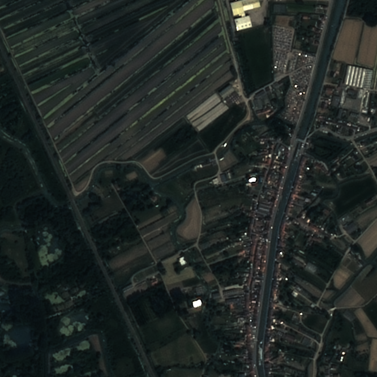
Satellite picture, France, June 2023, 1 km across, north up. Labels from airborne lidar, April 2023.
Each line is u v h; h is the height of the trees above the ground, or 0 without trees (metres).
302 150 0
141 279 0
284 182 0
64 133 0
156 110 0
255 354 0
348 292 0
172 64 0
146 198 16
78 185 0
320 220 0
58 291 0
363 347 0
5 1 0
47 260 0
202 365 11
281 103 0
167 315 0
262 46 0
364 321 0
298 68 0
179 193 0
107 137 0
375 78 0
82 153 0
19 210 11
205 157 0
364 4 9
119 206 0
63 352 0
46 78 0
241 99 0
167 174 0
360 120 0
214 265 6
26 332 0
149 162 0
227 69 0
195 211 0
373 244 0
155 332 0
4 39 0
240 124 0
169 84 0
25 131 0
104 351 0
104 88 0
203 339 0
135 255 0
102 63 0
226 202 0
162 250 0
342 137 0
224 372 13
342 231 0
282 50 0
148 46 0
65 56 0
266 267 0
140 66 0
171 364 0
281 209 0
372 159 0
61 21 0
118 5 0
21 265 0
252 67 0
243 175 0
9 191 7
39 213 7
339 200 0
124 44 0
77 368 17
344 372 0
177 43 0
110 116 0
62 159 0
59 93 0
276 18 0
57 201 0
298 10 0
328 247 6
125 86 0
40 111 0
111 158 0
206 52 0
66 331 0
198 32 0
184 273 0
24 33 0
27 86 0
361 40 0
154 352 0
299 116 0
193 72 0
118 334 0
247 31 0
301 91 0
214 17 0
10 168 6
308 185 0
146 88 0
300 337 0
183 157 0
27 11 0
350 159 0
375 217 0
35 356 12
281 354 0
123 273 0
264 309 0
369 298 0
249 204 0
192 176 0
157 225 0
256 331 0
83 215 6
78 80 0
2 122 6
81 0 0
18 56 0
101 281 15
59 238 14
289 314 0
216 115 0
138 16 0
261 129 0
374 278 0
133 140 0
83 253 8
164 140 0
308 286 0
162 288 0
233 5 0
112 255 0
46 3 0
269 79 0
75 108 0
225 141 0
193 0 0
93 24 0
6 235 0
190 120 0
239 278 6
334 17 0
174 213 0
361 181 0
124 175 0
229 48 0
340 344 0
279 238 0
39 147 0
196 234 0
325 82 0
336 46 0
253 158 7
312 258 0
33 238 13
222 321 0
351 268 0
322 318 0
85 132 0
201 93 0
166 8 0
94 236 8
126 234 0
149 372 0
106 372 0
